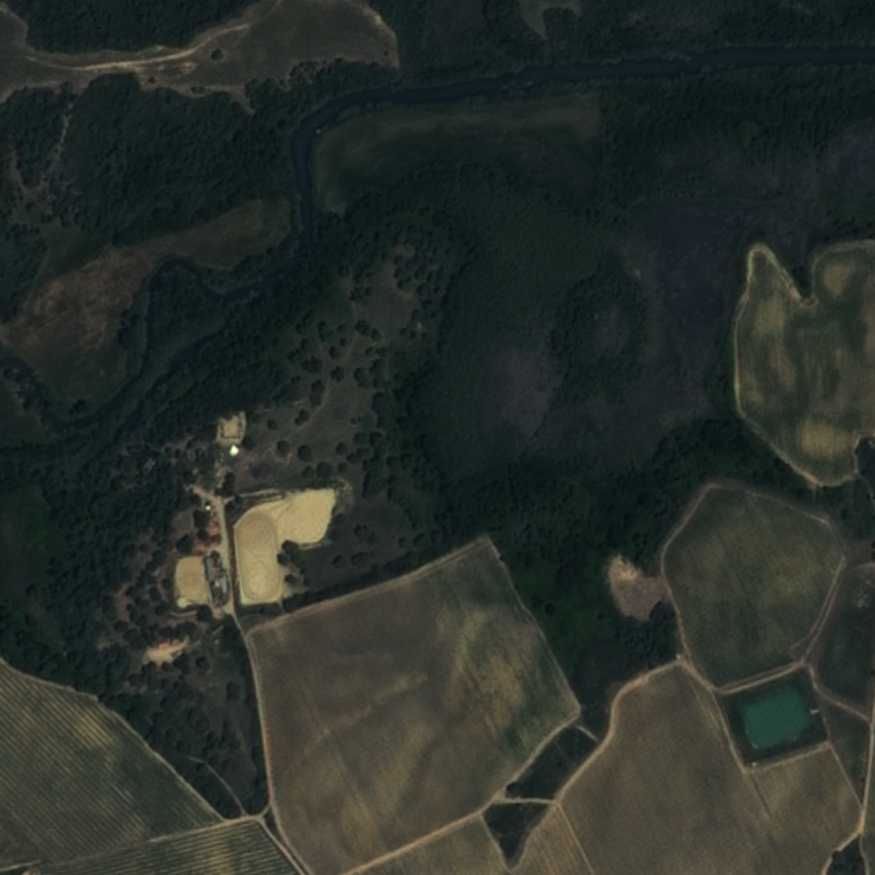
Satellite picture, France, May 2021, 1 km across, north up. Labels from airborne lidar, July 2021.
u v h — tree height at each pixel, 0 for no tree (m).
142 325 16
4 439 0
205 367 10
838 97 10
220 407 8
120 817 0
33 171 9
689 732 0
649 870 0
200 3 6
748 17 12
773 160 7
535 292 6
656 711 0
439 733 0
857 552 0
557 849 0
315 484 0
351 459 10
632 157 12
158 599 13
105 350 0
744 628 0
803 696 0
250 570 0
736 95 8
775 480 8
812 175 0
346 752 0
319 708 0
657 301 0
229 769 8
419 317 10
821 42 13
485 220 7
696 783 0
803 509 0
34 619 11
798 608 0
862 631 0
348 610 0
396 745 0
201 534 10
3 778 0
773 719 0
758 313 0
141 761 0
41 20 7
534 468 18
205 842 0
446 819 0
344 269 12
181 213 19
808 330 0
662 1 7
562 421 0
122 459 14
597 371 10
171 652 0
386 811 0
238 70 0
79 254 0
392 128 0
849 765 0
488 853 0
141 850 0
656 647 9
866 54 0
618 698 0
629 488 13
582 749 0
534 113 0
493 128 0
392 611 0
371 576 6
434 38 7
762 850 0
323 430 0
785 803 0
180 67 0
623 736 0
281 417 0
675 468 13
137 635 10
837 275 0
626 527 10
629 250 0
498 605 0
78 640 12
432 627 0
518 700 0
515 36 10
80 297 0
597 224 8
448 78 7
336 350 10
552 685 0
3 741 0
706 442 13
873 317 0
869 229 7
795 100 12
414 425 20
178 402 11
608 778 0
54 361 0
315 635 0
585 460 8
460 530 24
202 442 8
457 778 0
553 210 8
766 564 0
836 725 0
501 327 6
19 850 0
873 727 0
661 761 0
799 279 10
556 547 7
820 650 0
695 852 0
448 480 19
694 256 0
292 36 0
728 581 0
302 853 0
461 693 0
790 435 0
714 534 0
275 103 6
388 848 0
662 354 0
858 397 0
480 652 0
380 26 0
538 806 0
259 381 9
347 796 0
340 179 0
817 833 0
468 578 0
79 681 8
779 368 0
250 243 0
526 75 0
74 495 20
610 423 0
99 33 7
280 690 0
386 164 0
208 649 0
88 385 0
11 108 6
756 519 0
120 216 12
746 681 0
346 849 0
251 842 0
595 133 0
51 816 0
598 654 0
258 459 0
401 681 0
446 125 0
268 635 0
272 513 0
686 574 0
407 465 13
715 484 0
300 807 0
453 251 9
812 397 0
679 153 5
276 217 0
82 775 0
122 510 11
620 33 9
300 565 9
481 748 0
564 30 8
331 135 0
